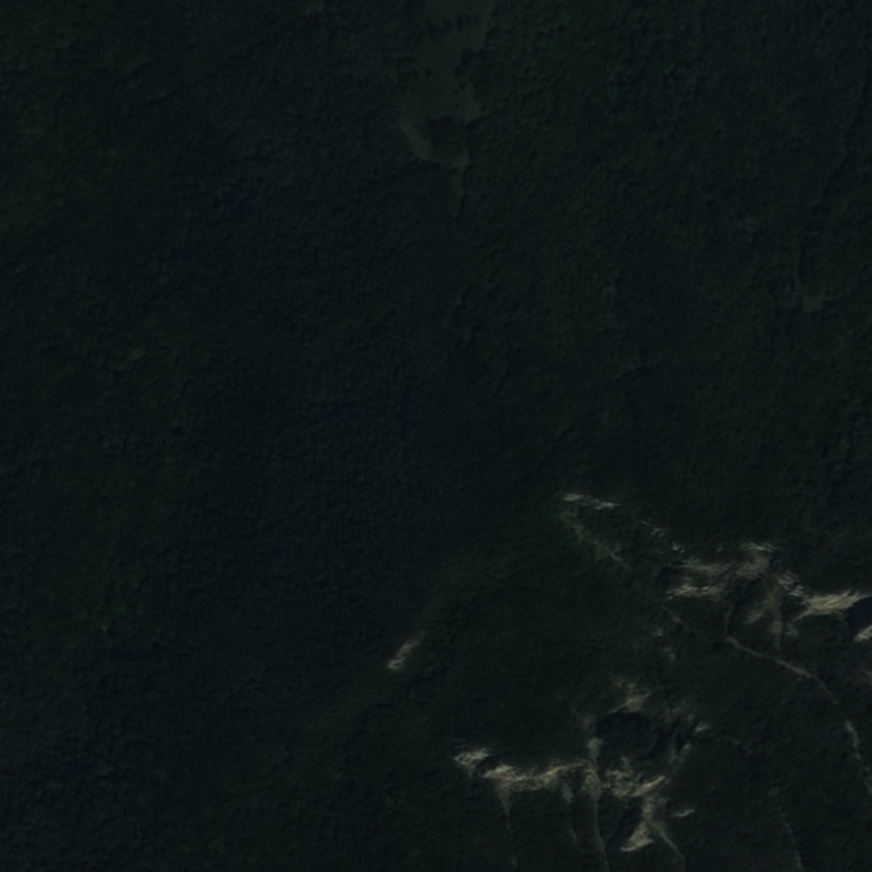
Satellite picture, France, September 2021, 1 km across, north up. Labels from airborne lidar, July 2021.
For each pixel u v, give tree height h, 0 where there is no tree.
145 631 21
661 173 18
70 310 23
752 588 15
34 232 23
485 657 17
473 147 10
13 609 10
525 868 12
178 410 25
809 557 11
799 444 20
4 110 25
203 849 19
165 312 21
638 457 14
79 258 25
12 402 22
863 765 6
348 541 23
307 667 15
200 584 26
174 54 20
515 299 19
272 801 16
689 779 11
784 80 15
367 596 19
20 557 17
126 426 20
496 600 22
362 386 18
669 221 16
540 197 23
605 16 20
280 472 16
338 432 18
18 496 26
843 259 19
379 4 16
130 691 23
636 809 7
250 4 17
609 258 17
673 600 11
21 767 25
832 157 21
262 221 19
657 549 14
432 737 18
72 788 17
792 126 14
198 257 20
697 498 10
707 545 19
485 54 11
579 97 22
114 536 25
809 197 22
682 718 16
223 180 26
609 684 8
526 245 17
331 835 15
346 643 23
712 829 17
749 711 15
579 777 10
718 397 17
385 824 22
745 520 21
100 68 18
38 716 20
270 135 18
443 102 0
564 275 19
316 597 20
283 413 21
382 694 20
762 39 17
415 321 11
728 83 17
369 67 10
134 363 19
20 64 15
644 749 15
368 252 19
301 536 22
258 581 16
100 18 21
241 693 13
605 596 16
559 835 23
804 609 39
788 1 14
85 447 20
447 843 16
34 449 22
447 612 23
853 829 18
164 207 21
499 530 14
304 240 18
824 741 10
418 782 20
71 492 24
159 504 25
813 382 24
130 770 20
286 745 19
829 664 9
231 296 25
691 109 17
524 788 9
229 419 27
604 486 11
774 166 19
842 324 20
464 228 15
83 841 24
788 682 11
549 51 18
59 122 23
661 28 16
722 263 19
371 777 25
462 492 10
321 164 20
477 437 19
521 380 16
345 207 17
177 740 22
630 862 12
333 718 16
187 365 22
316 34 20
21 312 25
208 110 18
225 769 15
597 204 19
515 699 13
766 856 15
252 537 23
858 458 12
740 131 17
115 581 20
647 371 10
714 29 19
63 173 22
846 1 8
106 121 23
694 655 12
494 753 22
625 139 18
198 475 21
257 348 22
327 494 16
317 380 15
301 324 18
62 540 22
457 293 14
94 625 8
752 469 19
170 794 23
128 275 28
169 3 20
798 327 14
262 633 19
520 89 24
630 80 16
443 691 13
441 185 12
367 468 21
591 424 13
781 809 10
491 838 10
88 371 29
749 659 15
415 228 15
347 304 19
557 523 16
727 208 25
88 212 24
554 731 17
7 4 23
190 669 24
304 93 19
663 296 17
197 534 27
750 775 19
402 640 8
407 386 19
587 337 14
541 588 17
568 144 26
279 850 19
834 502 6
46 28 19
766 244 15
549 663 20
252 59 22
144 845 19
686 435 16
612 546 9
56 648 16
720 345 17
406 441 13
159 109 24
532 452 15
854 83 13
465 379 12
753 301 17
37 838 33
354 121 11
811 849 17
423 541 18
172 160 20
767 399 17
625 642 15
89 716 19
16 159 26
